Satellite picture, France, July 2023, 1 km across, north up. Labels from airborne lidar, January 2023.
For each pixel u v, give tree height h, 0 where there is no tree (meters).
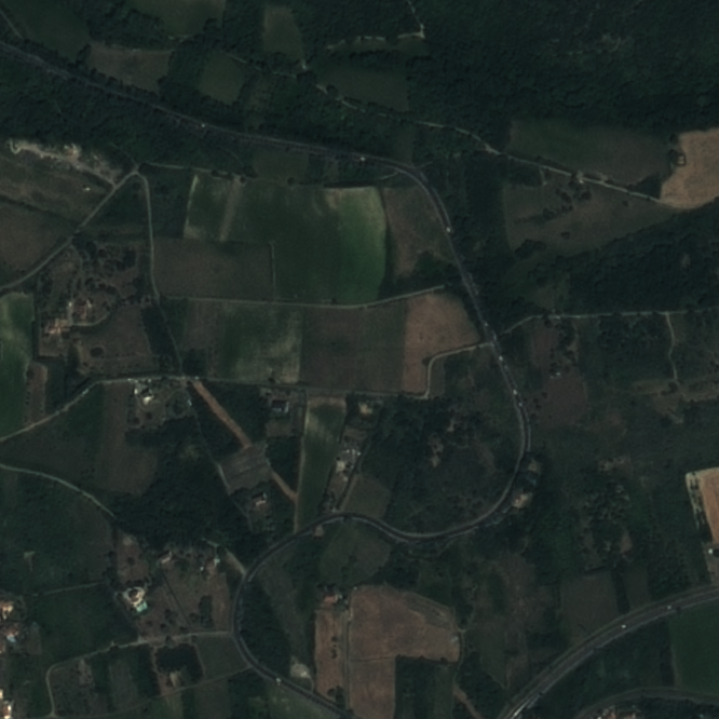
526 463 12
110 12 32
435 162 11
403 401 9
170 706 0
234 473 0
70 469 0
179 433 10
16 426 0
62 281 0
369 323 0
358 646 0
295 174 0
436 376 0
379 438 8
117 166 0
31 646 0
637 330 9
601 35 11
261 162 0
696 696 0
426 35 9
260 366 0
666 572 8
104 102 11
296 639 0
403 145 0
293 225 0
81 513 0
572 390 0
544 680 0
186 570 7
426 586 0
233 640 0
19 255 0
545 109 8
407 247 0
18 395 0
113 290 9
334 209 0
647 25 10
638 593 0
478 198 12
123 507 10
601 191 0
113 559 16
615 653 10
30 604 6
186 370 7
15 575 12
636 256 9
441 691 0
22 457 0
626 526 11
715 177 0
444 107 6
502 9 7
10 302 0
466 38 12
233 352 0
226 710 0
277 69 14
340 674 0
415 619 0
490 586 0
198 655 9
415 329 0
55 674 0
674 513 8
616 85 13
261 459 0
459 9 6
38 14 0
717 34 9
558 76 19
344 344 0
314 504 0
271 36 0
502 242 6
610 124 10
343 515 0
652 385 0
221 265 0
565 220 0
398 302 0
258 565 0
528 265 0
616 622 0
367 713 0
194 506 10
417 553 7
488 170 9
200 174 0
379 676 0
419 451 5
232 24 16
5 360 0
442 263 6
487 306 16
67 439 9
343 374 0
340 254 0
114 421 0
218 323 0
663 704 7
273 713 0
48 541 6
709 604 0
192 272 0
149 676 5
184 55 7
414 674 6
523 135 0
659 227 6
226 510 12
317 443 0
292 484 8
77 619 0
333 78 0
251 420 7
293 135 6
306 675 0
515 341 7
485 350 0
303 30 13
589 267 7
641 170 0
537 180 7
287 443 6
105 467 0
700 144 0
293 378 0
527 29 6
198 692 0
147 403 0
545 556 10
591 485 10
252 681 8
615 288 11
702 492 0
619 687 9
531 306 6
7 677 0
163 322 9
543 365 0
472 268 12
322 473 0
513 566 0
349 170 11
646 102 15
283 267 0
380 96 0
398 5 15
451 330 0
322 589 13
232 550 11
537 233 0
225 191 0
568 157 0
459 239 13
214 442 14
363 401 9
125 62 0
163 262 0
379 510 0
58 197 0
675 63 11
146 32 25
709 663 0
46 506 6
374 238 0
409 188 0
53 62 20
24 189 0
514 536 10
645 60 6
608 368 6
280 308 0
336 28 14
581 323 0
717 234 8
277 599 0
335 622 0
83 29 0
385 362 0
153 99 20
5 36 6
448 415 7
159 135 16
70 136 11
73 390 7
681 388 0
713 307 6
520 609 0
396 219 0
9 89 7
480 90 18
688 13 10
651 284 11
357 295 0
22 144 0
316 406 0
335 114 10
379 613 0
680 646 0
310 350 0
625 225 0
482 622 0
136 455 0
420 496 7
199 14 0
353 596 0
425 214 0
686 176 0
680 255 13
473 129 7
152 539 10
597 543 7
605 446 0
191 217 0
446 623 0
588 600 0
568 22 11
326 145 10
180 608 0
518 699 0
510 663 0
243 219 0
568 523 6
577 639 0
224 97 0
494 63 20
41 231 0
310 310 0
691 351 0
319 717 0
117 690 0
